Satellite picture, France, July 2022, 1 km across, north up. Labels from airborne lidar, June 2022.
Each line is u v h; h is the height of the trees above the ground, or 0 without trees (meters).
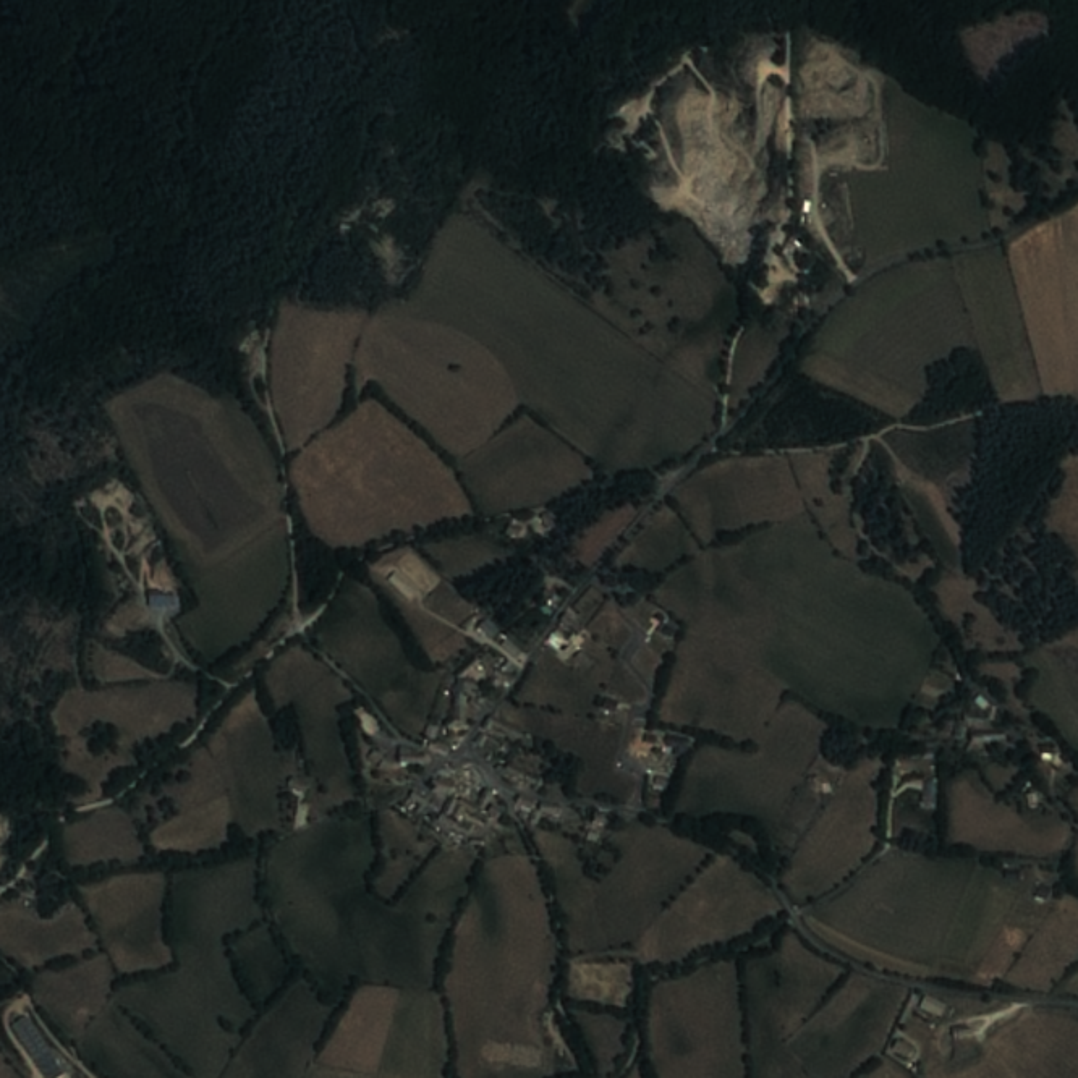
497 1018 0
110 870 8
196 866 16
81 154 26
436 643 0
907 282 0
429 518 0
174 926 11
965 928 0
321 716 0
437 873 0
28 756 11
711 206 0
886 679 0
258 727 0
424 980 0
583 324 0
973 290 0
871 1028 0
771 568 0
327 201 14
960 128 0
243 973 13
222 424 0
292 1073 0
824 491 0
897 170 0
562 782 14
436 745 0
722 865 0
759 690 0
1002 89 22
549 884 12
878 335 0
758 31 12
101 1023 0
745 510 0
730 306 0
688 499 0
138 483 8
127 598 10
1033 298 0
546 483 0
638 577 22
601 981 0
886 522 20
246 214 21
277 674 0
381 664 0
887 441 0
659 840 0
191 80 19
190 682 7
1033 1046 0
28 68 18
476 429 0
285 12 14
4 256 17
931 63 18
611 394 0
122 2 16
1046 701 0
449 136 13
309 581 13
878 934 0
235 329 7
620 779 0
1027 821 0
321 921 0
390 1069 0
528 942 0
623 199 15
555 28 31
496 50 20
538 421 14
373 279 17
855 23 16
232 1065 0
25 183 20
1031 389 0
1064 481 13
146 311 9
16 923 0
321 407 0
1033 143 18
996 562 19
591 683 0
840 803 0
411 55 11
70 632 0
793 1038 0
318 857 0
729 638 0
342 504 0
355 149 11
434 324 0
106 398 7
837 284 0
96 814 0
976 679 9
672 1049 0
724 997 0
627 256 0
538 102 22
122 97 18
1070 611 17
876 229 0
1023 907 0
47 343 14
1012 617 16
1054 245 0
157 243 21
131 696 0
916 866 0
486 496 0
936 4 24
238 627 0
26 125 27
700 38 7
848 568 0
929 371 12
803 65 0
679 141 0
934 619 13
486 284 0
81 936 0
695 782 0
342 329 0
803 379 9
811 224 0
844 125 0
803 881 0
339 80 18
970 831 0
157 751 23
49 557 14
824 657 0
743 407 10
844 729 15
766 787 0
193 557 0
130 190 16
